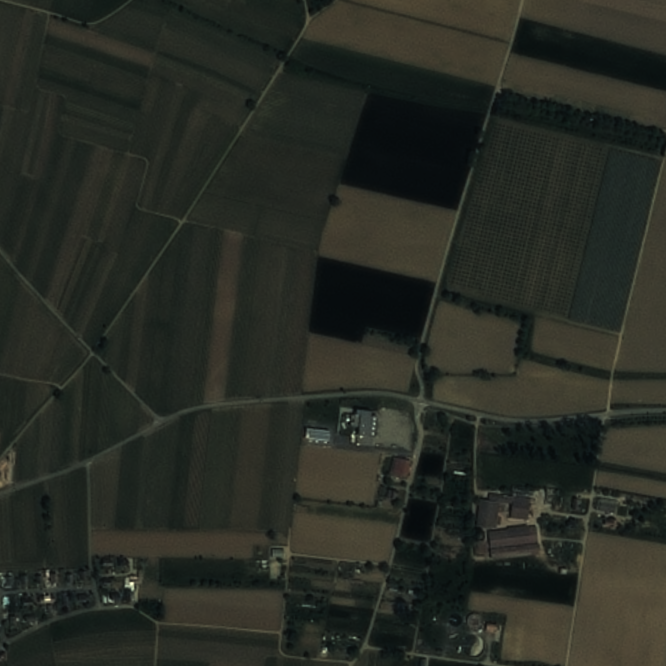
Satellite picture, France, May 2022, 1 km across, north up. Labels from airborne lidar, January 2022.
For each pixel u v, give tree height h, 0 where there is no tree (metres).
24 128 0
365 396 0
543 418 0
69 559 0
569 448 0
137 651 0
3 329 0
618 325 0
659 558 0
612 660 0
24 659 0
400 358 0
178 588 0
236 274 0
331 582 0
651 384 0
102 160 0
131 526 0
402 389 0
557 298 0
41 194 0
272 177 0
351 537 0
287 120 0
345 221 0
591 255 0
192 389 0
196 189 0
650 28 0
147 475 0
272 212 0
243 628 0
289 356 0
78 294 0
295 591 0
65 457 0
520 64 0
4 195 0
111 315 0
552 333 0
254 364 0
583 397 0
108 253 0
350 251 0
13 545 0
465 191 0
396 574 0
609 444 0
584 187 0
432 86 0
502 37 0
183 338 0
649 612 0
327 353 0
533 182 0
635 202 0
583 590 0
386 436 0
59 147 0
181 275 0
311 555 0
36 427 0
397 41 0
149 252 0
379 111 0
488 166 0
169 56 0
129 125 0
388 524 0
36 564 0
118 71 0
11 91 0
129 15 0
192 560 0
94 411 0
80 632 0
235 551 0
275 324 0
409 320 0
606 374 0
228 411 0
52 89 0
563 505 0
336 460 0
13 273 0
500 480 0
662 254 0
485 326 0
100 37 0
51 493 0
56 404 0
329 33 0
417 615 11
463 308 0
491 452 0
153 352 0
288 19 0
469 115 0
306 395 0
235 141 0
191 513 0
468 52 0
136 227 0
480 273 0
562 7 0
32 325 0
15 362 0
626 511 0
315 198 0
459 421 0
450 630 0
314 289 0
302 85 0
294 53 0
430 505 0
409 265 0
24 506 0
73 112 0
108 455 0
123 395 0
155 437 0
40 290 0
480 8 0
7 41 0
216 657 0
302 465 0
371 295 0
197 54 0
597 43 0
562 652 0
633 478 0
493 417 0
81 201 0
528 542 0
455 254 0
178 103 0
